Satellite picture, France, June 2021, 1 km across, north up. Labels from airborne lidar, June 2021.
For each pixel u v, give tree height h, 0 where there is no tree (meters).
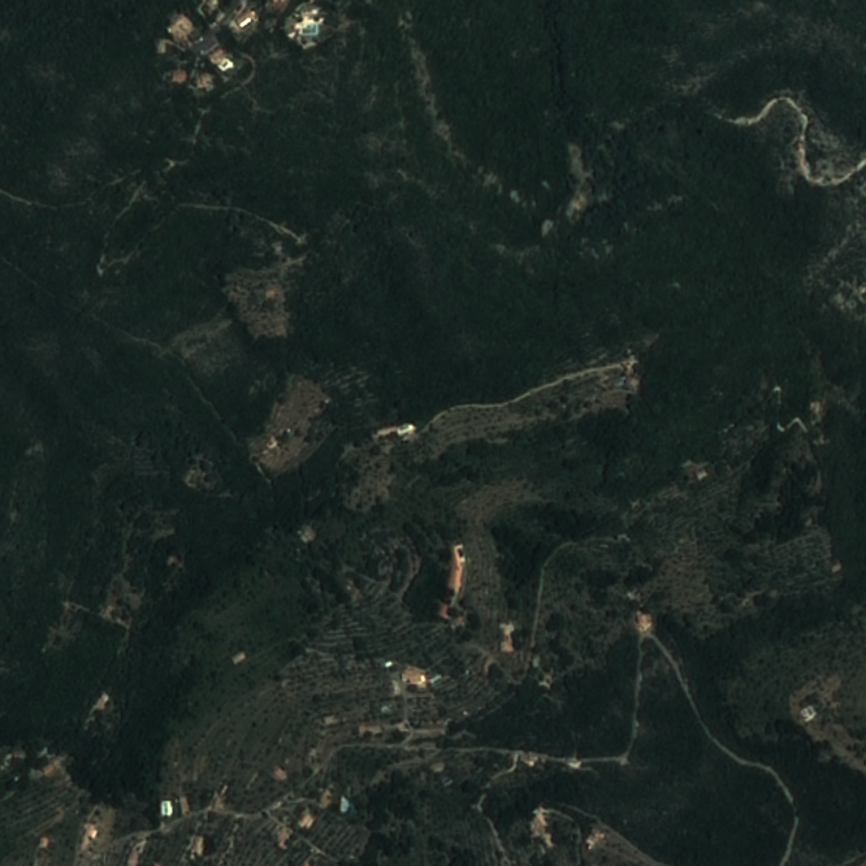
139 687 6
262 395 6
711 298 8
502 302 7
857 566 10
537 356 9
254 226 6
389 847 12
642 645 7
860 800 7
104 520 8
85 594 6
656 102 6
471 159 11
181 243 8
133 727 16
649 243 8
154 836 7
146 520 9
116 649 6
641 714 7
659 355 6
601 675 10
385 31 6
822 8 6
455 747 8
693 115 6
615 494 10
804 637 6
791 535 11
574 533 12
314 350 8
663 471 9
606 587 9
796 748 11
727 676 8
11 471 6
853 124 8
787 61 14
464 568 0
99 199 7
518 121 10
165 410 9
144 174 9
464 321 6
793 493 10
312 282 6
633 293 5
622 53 11
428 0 8
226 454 8
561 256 9
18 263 6
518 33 6
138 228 7
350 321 8
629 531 6
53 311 6
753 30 6
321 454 7
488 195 8
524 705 7
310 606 8
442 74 9
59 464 6
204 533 9
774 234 7
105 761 7
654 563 8
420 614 8
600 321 7
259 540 15
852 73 7
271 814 7
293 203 7
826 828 6
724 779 7
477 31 11
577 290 10
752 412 14
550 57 12
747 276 8
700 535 7
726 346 8
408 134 6
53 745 8
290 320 7
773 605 19
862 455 7
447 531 11
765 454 9
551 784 7
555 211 12
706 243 10
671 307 8
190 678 15
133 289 6
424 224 6
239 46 5
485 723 7
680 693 6
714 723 11
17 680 6
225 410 7
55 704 8
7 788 6
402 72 6
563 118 8
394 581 7
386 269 7
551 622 10
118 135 6
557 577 9
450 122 15
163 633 12
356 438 8
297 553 7
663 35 9
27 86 6
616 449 8
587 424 10
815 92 9
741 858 7
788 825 7
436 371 7
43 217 5
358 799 8
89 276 6
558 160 13
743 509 6
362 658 9
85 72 6
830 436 11
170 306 6
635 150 6
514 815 9
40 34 8
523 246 8
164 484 7
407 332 8
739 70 5
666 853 7
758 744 12
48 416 7
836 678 0
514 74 11
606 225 8
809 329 9
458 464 9
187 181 7
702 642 9
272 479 7
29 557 7
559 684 10
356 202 8
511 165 11
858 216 9
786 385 10
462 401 11
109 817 0
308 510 11
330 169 6
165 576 9
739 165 8
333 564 7
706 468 7
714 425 10
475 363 7
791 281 6
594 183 8
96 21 7
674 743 7
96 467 12
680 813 6
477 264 8
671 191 7
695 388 7
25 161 6
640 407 7
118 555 9
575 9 10
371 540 6
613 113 9
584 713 8
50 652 6
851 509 7
